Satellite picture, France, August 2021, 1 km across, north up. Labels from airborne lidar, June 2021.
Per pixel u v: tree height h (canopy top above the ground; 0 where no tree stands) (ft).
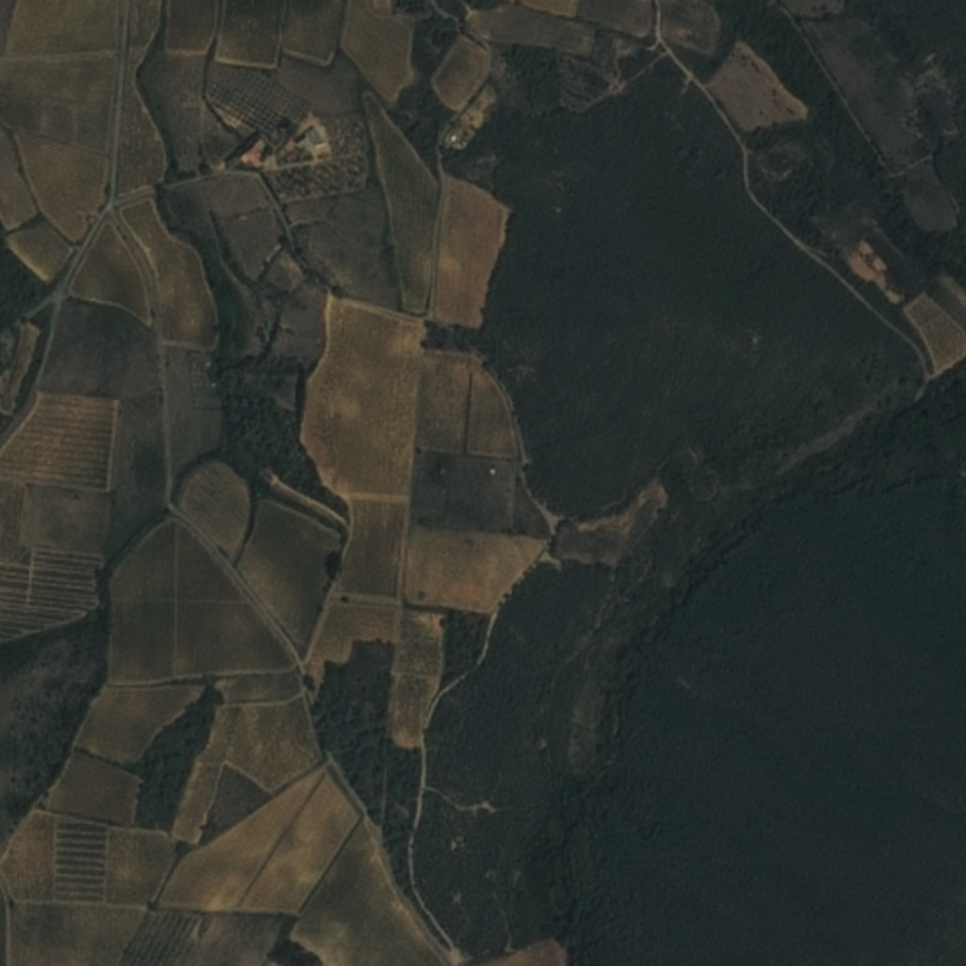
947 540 26
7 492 0
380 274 0
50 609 0
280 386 21
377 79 0
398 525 0
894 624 18
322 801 0
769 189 22
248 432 35
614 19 0
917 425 28
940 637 24
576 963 40
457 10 20
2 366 43
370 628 0
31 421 0
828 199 19
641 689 22
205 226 0
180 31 0
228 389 48
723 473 18
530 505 0
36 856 0
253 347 0
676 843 19
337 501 21
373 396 0
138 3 0
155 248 0
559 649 21
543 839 26
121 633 0
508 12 0
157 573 0
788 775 18
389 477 0
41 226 0
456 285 0
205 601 0
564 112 25
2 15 0
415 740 0
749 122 0
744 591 22
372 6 0
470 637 25
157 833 0
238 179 0
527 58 24
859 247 0
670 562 20
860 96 0
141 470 0
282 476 35
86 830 0
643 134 17
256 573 0
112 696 0
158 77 0
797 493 30
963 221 26
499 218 0
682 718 18
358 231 0
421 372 0
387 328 0
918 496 24
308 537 0
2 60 0
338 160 0
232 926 0
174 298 0
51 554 0
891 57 0
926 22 19
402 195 0
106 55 0
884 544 28
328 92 0
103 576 37
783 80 22
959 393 47
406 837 26
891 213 30
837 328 17
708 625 24
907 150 0
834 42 0
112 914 0
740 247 20
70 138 0
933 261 28
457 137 0
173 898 0
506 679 20
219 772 0
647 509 0
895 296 0
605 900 30
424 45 0
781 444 20
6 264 19
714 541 23
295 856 0
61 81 0
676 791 17
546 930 25
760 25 39
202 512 0
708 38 0
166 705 0
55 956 0
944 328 0
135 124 0
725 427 20
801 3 0
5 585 0
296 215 0
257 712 0
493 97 0
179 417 0
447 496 0
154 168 0
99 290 0
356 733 44
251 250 0
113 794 0
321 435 0
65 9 0
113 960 0
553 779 23
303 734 0
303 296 0
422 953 0
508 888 19
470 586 0
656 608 18
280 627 0
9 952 0
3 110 0
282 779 0
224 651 0
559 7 0
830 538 34
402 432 0
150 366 0
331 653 0
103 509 0
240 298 0
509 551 0
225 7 0
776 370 0
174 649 0
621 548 0
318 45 0
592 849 30
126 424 0
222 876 0
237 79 0
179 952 0
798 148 0
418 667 0
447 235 0
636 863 27
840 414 20
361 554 0
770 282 17
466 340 23
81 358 0
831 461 19
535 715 19
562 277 17
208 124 0
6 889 0
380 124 0
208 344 0
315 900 0
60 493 0
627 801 21
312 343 0
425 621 0
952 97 0
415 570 0
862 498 25
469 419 0
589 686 0
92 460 0
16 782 20
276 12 0
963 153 21
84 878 0
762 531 30
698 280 21
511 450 0
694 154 26
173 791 20
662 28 0
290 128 39
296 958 20
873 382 34
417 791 26
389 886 0
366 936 0
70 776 0
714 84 0
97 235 0
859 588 20
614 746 22
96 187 0
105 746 0
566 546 0
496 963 0
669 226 20
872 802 24
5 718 0
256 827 0
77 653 24
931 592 26
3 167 0
